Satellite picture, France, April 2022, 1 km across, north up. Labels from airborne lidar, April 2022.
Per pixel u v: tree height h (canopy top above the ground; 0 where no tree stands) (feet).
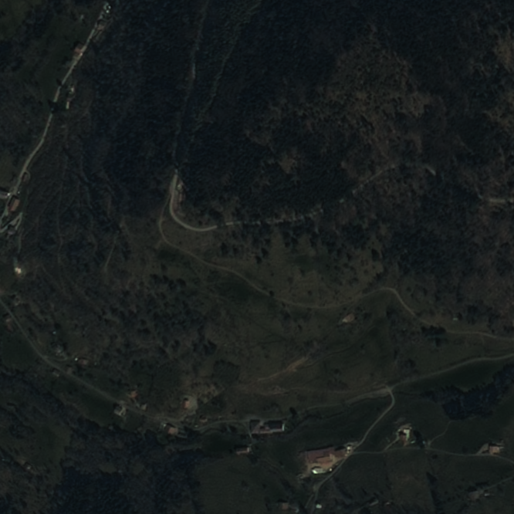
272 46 51
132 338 70
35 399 63
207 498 0
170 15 73
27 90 66
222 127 52
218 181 66
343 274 42
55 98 0
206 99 62
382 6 88
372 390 0
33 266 0
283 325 44
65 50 0
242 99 44
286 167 0
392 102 37
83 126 26
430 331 32
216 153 78
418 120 77
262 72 42
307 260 0
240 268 0
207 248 0
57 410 54
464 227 54
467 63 45
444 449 0
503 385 76
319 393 0
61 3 90
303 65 50
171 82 47
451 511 0
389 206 85
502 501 0
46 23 82
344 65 24
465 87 76
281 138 59
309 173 74
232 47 60
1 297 0
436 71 51
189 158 57
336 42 63
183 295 64
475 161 80
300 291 0
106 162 65
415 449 0
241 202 48
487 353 19
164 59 43
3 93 78
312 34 53
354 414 0
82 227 50
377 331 0
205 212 29
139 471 0
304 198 75
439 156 63
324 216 78
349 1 68
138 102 59
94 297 18
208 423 0
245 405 0
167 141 56
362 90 39
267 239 19
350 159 61
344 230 69
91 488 68
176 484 62
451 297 30
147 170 58
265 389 0
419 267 68
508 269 93
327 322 0
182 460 69
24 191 0
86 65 20
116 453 51
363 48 29
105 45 39
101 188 82
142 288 27
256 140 33
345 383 22
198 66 44
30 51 63
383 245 33
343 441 0
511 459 0
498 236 90
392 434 0
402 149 73
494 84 51
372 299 0
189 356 64
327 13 49
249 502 0
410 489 0
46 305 29
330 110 29
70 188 18
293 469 0
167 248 0
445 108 70
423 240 72
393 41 74
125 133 64
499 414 0
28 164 0
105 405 0
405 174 72
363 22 77
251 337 0
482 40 37
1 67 44
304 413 0
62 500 83
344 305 0
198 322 65
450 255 75
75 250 41
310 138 67
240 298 0
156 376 34
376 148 71
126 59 69
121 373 32
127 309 55
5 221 21
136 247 0
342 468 0
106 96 34
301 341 0
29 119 78
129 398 0
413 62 41
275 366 0
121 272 32
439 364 0
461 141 47
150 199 48
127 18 63
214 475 0
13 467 71
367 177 46
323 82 45
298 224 53
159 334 63
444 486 0
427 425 0
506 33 48
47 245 39
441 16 76
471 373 0
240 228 63
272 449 0
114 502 89
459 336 0
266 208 72
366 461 0
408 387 0
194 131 62
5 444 0
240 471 0
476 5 79
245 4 72
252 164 76
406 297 0
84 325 19
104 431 29
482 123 45
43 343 0
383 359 0
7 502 36
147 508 68
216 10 54
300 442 0
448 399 54
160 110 58
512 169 96
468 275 73
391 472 0
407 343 43
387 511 18
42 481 62
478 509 0
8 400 0
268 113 50
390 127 73
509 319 30
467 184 53
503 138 65
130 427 0
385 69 33
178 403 0
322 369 0
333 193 78
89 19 50
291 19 66
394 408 0
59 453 0
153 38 69
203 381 0
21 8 0
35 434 56
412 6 78
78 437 37
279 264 0
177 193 0
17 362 0
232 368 41
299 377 0
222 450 0
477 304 42
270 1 49
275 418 0
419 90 50
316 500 0
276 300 0
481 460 0
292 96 56
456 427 0
